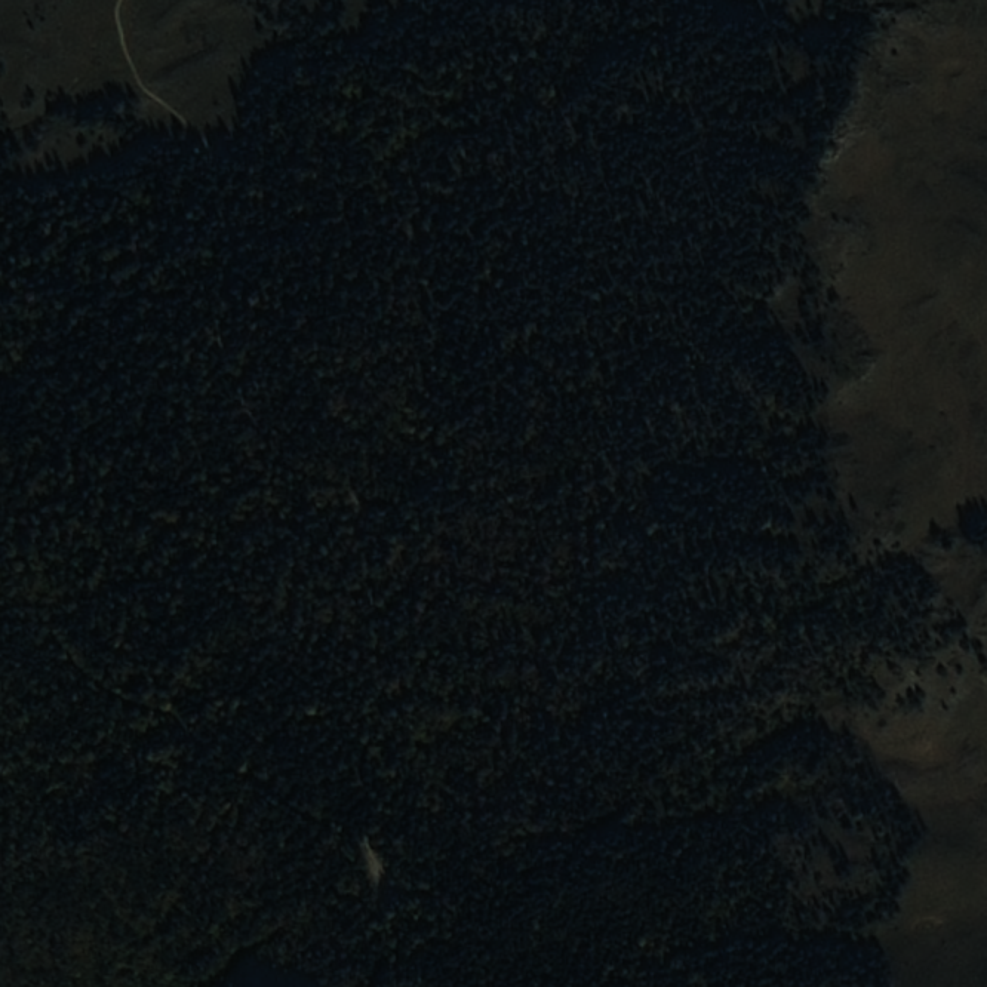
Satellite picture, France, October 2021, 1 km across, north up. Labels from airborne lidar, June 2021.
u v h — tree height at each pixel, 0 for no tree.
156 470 17
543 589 10
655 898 11
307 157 10
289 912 19
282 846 13
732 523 15
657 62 11
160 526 9
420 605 26
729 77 9
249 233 8
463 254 25
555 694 11
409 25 10
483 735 12
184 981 20
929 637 8
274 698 19
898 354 0
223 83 0
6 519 16
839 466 0
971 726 0
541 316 9
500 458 17
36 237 17
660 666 6
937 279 0
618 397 13
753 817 9
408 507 22
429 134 11
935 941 0
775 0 10
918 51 0
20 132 0
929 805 0
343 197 17
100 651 19
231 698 21
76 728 17
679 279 12
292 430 10
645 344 24
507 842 14
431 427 11
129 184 25
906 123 0
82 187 14
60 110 12
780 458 12
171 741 25
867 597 15
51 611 20
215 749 21
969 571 0
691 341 10
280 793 15
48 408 27
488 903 12
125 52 0
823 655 8
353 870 14
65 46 0
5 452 19
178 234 12
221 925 17
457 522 15
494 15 13
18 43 0
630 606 17
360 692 22
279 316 19
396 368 11
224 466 15
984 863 0
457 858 14
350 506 11
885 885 10
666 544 10
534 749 9
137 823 19
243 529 17
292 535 11
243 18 0
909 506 0
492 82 13
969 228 0
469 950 12
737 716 5
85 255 13
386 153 11
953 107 0
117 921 26
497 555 7
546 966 10
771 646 9
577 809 14
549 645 9
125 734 15
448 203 13
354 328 16
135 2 0
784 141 8
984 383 0
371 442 15
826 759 9
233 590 23
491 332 9
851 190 0
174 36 0
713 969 9
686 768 7
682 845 8
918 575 12
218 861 21
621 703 8
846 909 18
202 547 15
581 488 18
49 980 17
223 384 16
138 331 17
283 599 12
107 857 19
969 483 0
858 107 0
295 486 18
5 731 17
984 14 0
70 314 27
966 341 0
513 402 15
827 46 8
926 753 0
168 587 16
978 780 0
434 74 12
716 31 16
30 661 24
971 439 0
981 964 0
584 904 10
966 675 0
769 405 9
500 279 18
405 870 10
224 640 18
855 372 0
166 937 24
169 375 18
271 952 16
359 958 15
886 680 0
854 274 0
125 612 11
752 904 11
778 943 24
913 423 0
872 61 0
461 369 22
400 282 16
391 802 20
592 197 11
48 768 10
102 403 11
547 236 17
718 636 12
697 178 13
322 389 16
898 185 0
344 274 20
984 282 0
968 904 0
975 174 0
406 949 16
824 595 15
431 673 14
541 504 13
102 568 15
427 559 18
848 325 0
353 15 0
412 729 15
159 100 0
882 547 9
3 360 15
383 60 14
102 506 16
